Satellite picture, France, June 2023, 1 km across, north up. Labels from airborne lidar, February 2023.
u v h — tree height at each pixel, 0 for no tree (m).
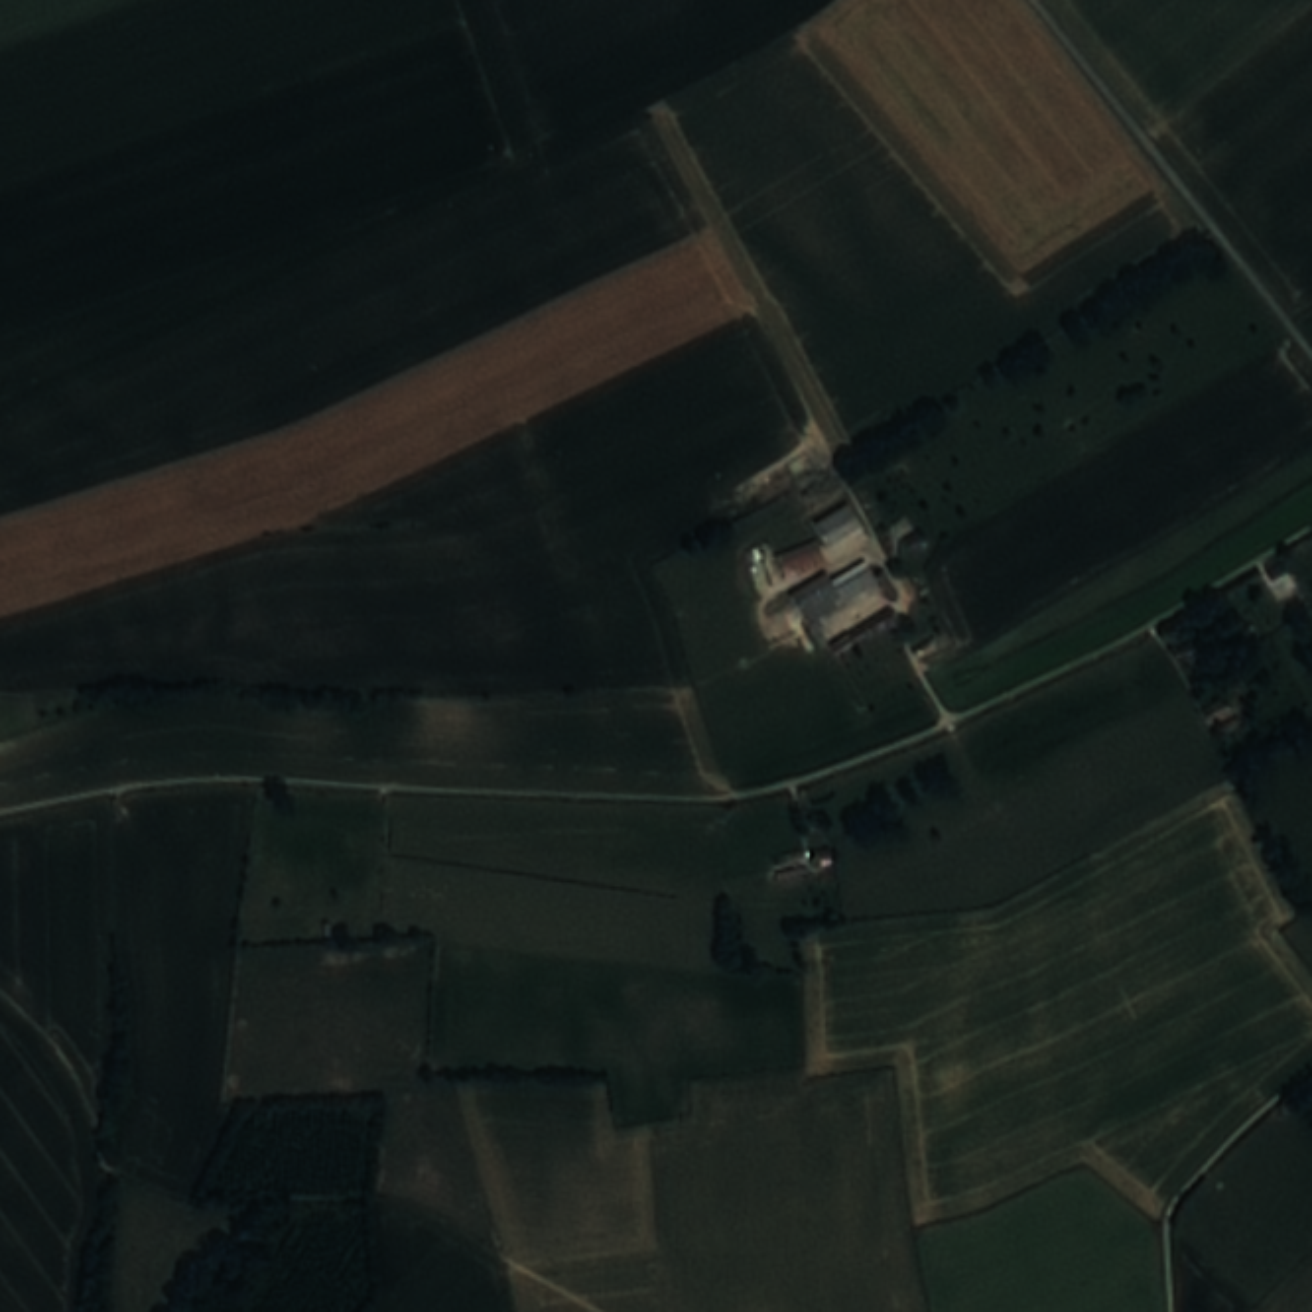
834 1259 0
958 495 0
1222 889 0
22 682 0
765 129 0
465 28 0
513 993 0
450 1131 0
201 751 0
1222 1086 0
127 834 0
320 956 0
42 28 0
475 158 0
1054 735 0
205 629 0
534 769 0
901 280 0
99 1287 21
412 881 0
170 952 0
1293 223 0
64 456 0
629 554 0
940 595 0
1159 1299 0
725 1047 0
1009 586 0
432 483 0
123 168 0
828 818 14
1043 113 0
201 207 0
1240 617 15
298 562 0
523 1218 0
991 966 0
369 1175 7
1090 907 0
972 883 0
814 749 0
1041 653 0
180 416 0
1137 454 0
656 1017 0
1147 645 0
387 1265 0
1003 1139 0
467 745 0
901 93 0
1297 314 0
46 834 0
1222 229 0
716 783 0
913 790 23
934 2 0
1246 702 6
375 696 11
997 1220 0
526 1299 0
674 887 0
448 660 0
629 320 0
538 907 0
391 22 0
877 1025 0
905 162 0
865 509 0
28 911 0
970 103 0
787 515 0
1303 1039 0
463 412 0
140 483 0
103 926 0
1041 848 0
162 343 0
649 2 0
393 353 0
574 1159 0
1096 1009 0
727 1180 0
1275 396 0
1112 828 0
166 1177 0
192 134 0
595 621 0
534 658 0
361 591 0
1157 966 0
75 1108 0
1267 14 0
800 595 0
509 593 0
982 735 0
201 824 0
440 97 0
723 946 13
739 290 0
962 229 0
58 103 0
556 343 0
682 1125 0
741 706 0
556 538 0
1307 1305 0
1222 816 0
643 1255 0
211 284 0
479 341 0
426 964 0
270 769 0
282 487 0
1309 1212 0
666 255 0
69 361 0
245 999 0
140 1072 0
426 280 0
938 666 0
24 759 0
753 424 0
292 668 0
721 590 0
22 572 0
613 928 0
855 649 20
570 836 0
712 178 0
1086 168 0
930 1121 0
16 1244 0
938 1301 0
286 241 0
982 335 0
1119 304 25
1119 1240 0
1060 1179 0
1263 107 0
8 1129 0
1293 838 0
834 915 6
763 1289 0
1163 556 0
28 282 0
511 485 0
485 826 0
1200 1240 0
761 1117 0
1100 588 0
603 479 0
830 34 0
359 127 0
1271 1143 0
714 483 0
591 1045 0
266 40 0
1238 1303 0
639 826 0
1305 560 0
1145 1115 0
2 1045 0
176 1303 21
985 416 0
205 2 0
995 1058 0
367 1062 0
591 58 0
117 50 0
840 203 0
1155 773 0
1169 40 0
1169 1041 0
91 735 0
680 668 0
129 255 0
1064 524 0
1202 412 0
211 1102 0
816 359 0
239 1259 24
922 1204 0
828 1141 0
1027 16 0
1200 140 0
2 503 0
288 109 0
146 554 0
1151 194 0
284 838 0
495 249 0
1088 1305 0
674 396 0
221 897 0
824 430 0
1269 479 0
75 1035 0
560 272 0
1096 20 0
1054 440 0
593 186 0
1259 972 0
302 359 0
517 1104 0
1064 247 0
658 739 0
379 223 0
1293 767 0
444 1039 0
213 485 0
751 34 0
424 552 0
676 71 0
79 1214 0
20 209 0
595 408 0
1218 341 0
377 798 0
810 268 0
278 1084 0
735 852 0
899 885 0
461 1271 0
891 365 0
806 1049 0
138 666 0
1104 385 0
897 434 19
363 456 0
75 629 0
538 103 0
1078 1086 0
